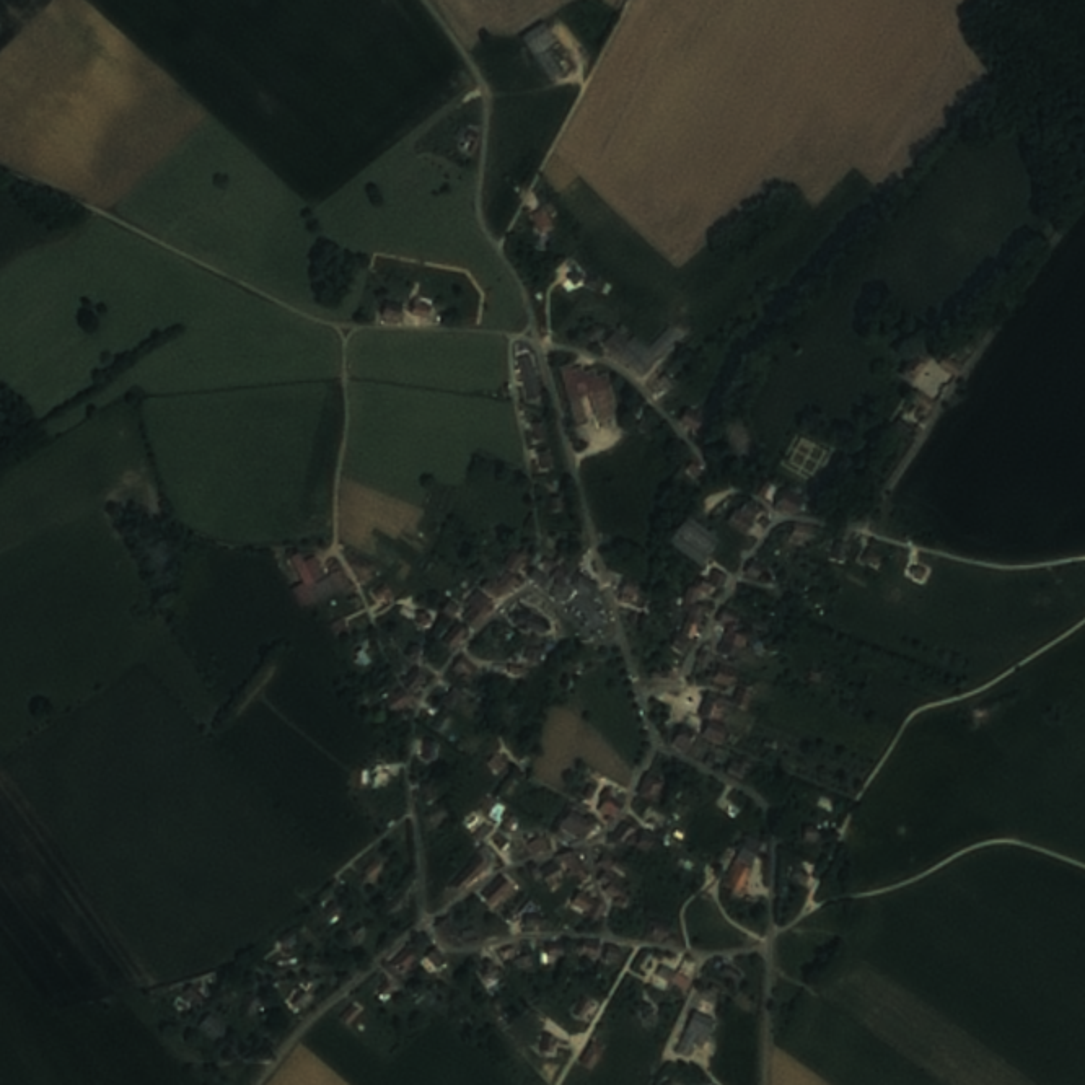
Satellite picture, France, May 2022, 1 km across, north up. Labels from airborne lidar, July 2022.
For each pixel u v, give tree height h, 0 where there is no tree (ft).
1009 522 0
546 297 0
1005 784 0
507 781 21
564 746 0
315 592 0
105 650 0
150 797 0
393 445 0
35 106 0
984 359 0
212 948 0
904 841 0
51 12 0
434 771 44
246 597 0
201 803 0
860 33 0
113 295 0
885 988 0
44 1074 0
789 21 0
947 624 0
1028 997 0
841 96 0
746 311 0
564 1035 0
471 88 0
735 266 40
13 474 0
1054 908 0
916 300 0
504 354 0
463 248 0
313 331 0
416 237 0
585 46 0
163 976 0
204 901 0
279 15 0
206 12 0
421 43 0
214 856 0
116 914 0
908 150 0
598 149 0
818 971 47
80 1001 0
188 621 0
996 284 93
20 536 0
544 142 0
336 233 0
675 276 0
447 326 40
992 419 0
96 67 0
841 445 58
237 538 0
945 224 0
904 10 0
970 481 0
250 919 0
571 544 34
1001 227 0
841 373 0
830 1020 0
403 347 0
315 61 0
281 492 0
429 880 0
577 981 21
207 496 0
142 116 0
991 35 57
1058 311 0
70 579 0
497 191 0
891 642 0
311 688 0
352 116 0
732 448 42
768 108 0
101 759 0
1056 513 0
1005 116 85
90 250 0
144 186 0
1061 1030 0
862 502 80
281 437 0
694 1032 0
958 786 0
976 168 0
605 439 0
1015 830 0
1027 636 0
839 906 21
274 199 0
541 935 0
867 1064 0
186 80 0
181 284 0
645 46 0
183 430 0
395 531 0
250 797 0
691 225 0
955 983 0
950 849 0
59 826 0
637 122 0
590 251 0
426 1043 0
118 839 0
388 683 41
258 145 0
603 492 0
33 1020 0
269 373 0
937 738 0
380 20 0
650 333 0
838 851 45
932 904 0
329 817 0
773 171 0
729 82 0
